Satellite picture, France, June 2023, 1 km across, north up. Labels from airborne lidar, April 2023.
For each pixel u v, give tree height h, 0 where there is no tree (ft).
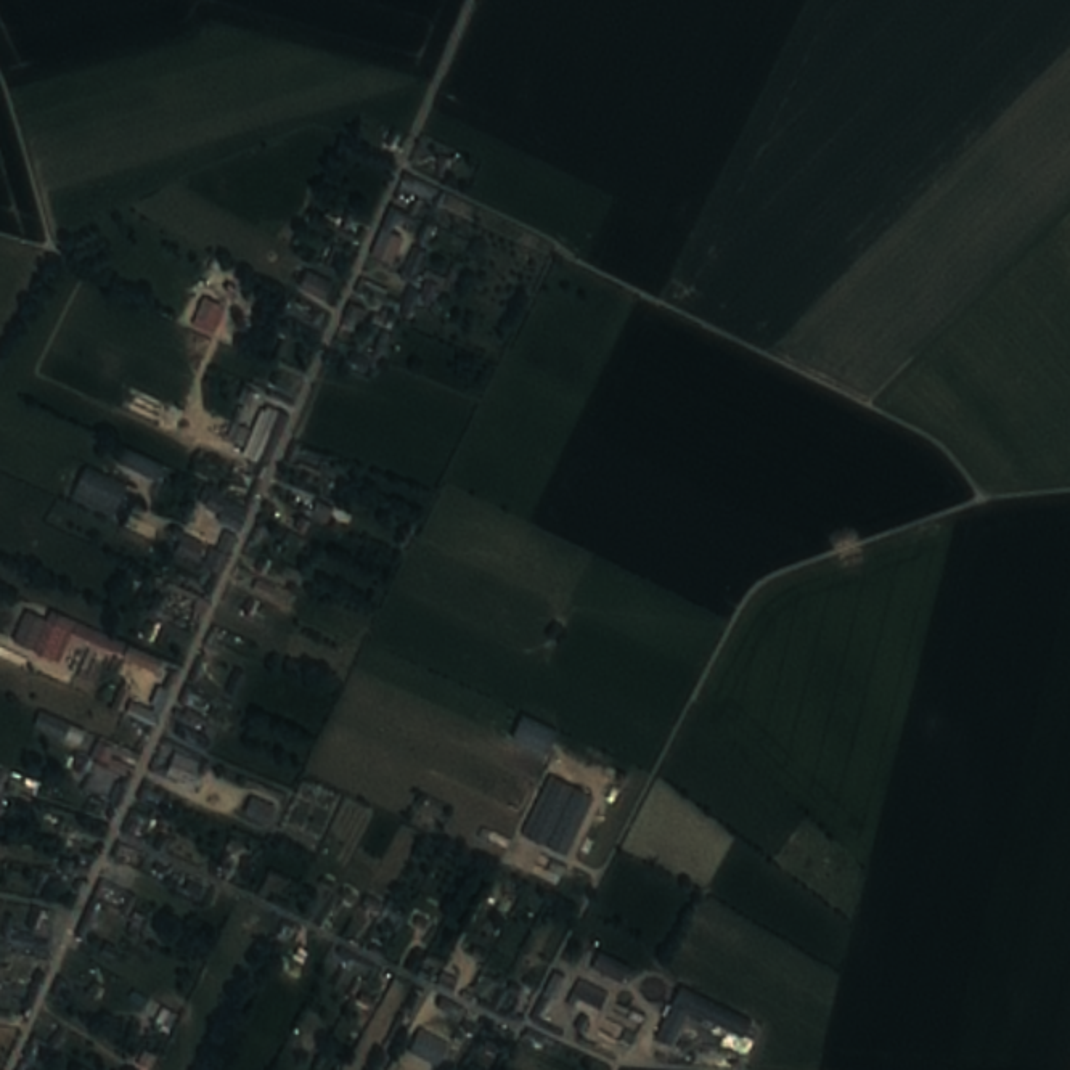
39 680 0
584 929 0
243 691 0
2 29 0
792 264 0
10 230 0
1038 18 0
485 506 0
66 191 0
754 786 0
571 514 0
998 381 0
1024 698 0
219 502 0
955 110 0
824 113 0
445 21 0
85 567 0
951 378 0
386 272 0
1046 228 0
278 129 0
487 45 0
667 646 0
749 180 0
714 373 0
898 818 0
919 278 0
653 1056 0
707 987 0
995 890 0
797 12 0
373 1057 36
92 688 0
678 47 0
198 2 0
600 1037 0
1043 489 0
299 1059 49
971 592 0
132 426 0
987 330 0
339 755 0
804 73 0
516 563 0
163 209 0
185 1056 0
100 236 65
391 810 0
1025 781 0
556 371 0
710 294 0
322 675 60
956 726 0
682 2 0
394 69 0
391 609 0
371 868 0
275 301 49
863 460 0
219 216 0
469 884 46
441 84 0
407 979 0
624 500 0
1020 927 0
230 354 0
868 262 0
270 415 0
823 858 0
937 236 0
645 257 0
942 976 0
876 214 0
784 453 0
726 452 0
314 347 23
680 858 0
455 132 0
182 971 27
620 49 0
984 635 0
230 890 0
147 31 0
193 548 0
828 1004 0
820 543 0
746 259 0
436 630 0
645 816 0
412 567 0
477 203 0
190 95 0
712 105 0
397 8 0
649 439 0
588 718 0
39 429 0
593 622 0
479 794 0
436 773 0
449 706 0
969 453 0
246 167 0
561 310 0
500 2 0
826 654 0
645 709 0
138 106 0
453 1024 0
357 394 0
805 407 0
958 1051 0
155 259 0
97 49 0
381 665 0
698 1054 0
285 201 0
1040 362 0
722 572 0
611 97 0
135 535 0
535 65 0
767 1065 0
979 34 0
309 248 24
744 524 0
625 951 0
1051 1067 0
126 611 26
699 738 0
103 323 0
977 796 0
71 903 30
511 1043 44
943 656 0
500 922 32
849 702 0
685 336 0
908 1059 0
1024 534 0
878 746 0
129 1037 22
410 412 0
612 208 0
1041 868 0
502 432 0
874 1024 0
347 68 0
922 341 0
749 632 0
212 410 0
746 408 0
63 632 0
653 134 0
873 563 0
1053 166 0
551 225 0
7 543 0
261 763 0
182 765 0
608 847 0
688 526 0
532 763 0
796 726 0
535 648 0
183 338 0
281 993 0
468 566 0
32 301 48
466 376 22
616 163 0
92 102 0
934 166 0
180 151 0
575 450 0
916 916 0
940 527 0
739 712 0
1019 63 0
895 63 0
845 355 0
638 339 0
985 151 0
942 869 0
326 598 26
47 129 0
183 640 0
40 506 0
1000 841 0
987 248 0
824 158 0
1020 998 0
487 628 0
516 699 0
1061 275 0
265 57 0
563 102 0
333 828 0
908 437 0
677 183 0
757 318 0
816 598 0
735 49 0
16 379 0
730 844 0
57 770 66
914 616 0
